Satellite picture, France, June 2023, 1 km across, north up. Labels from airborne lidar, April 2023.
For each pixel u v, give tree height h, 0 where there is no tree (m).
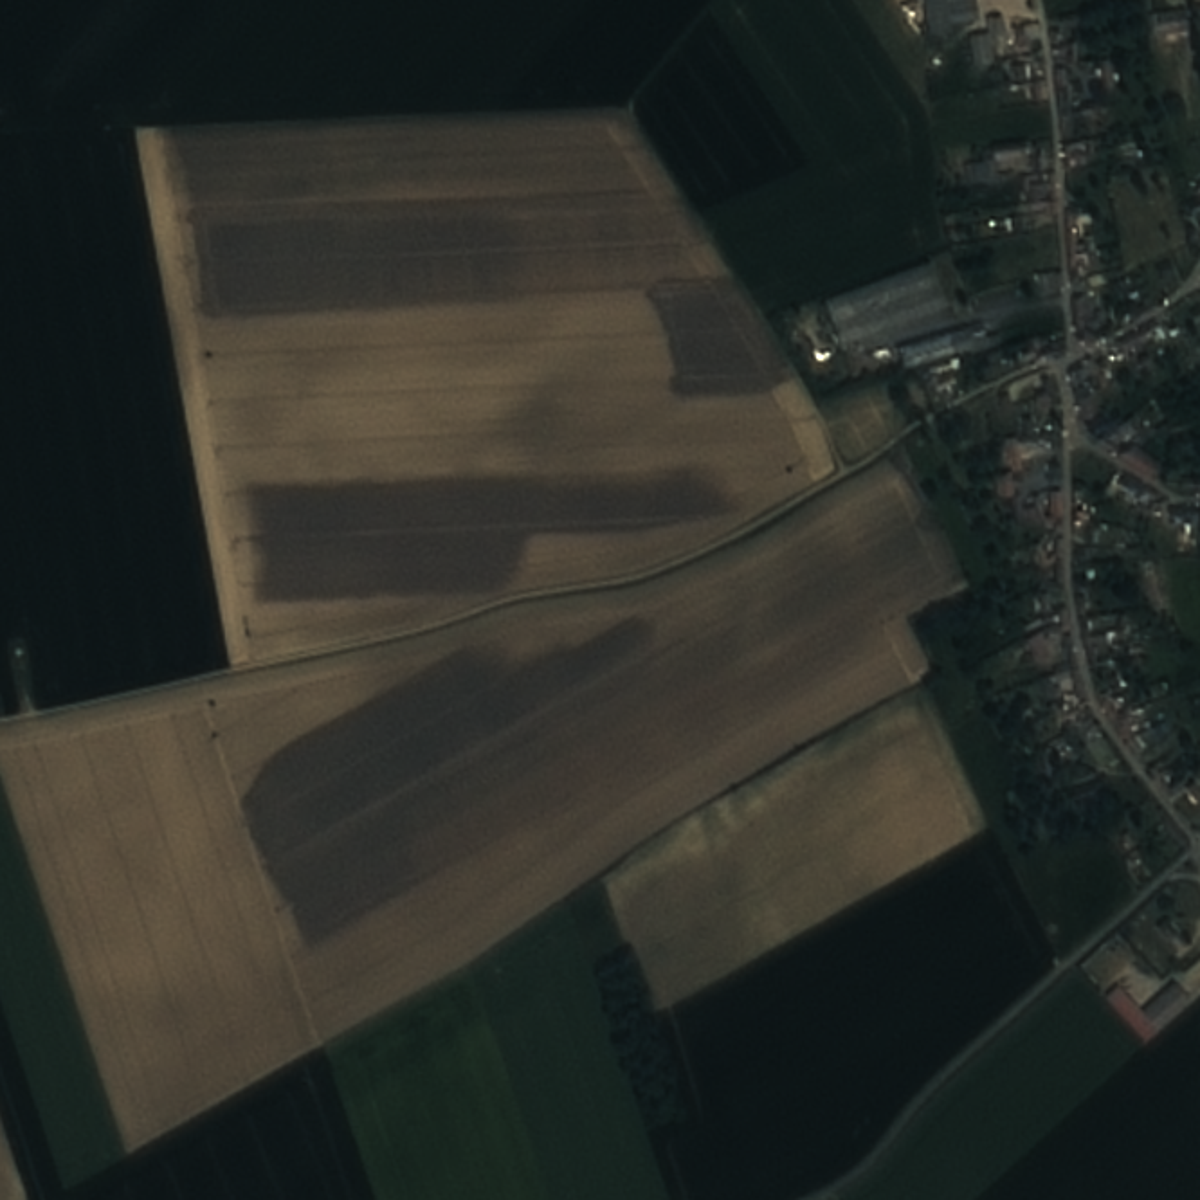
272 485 0
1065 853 0
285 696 0
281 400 0
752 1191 0
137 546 0
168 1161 0
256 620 0
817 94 0
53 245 0
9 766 0
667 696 0
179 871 0
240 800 0
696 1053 0
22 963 0
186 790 0
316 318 0
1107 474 0
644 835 0
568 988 0
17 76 0
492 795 0
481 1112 0
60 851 0
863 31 0
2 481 0
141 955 0
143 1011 0
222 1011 0
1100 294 0
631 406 0
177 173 0
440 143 0
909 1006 0
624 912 0
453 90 0
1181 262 0
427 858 0
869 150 0
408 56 0
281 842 0
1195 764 8
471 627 0
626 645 0
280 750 0
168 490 0
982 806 0
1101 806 16
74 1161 0
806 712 0
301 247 0
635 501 0
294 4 0
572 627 0
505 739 0
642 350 0
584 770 0
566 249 0
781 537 0
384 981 0
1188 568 0
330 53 0
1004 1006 0
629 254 0
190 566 0
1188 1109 0
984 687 8
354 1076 0
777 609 0
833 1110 0
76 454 0
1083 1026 0
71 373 0
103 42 0
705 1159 0
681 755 0
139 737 0
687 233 0
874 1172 0
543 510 0
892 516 0
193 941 0
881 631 0
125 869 0
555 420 0
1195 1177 0
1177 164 0
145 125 0
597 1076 0
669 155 0
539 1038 0
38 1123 0
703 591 0
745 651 0
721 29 0
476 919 0
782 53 0
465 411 0
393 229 0
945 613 18
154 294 0
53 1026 0
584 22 0
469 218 0
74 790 0
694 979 0
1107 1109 0
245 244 0
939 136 0
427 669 0
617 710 0
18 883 0
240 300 0
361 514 0
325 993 0
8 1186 0
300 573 0
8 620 0
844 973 0
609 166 0
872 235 0
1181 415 9
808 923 0
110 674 0
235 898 0
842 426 0
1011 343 7
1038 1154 0
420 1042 0
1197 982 0
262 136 0
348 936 0
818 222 0
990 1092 0
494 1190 0
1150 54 6
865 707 0
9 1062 0
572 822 0
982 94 0
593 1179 0
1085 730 0
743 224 0
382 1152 0
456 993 0
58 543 0
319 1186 0
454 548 0
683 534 0
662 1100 16
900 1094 0
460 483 0
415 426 0
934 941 0
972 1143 0
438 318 0
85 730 0
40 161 0
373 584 0
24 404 0
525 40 0
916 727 0
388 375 0
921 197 0
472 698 0
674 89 0
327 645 0
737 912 0
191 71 0
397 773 0
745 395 0
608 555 0
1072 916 0
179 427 0
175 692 0
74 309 0
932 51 0
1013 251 0
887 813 0
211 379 0
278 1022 0
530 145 0
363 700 0
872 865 0
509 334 0
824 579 0
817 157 0
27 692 0
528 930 0
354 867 0
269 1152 0
